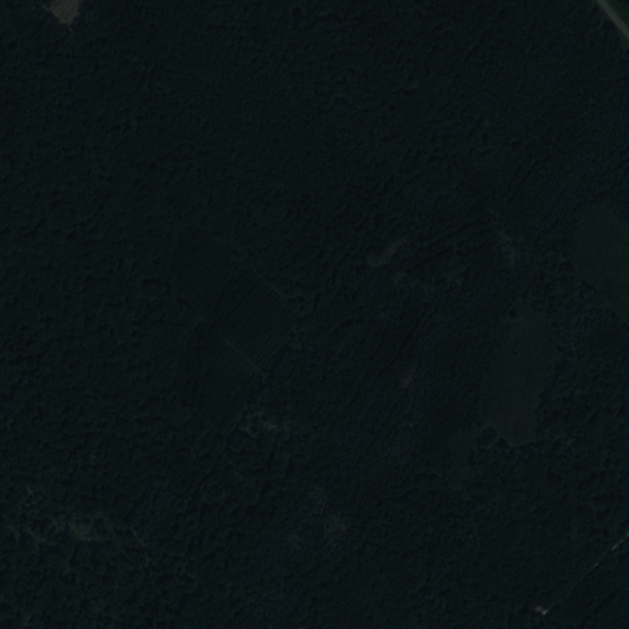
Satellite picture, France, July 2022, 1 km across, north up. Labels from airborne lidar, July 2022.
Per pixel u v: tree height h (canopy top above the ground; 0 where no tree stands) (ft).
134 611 68
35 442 86
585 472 46
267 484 41
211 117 43
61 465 87
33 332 63
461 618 65
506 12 72
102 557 94
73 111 91
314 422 46
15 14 72
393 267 57
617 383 65
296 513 73
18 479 84
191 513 76
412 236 58
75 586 78
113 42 61
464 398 56
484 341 55
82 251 78
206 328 30
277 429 46
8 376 76
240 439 45
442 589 44
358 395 52
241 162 61
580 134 51
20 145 86
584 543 51
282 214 60
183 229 63
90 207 95
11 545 71
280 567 52
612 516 79
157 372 79
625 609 54
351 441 37
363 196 73
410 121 92
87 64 93
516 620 86
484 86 41
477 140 67
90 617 77
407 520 43
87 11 82
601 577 27
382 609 66
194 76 53
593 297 104
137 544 73
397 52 71
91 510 83
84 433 47
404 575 66
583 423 72
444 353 62
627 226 64
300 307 78
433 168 67
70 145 76
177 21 47
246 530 73
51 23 91
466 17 99
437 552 57
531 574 71
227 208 81
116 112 75
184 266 22
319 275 80
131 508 37
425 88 80
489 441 75
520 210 42
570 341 95
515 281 75
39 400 87
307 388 69
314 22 87
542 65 46
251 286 21
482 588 46
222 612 72
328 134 55
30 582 80
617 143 45
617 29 73
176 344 76
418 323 70
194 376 25
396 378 49
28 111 69
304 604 72
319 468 67
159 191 77
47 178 86
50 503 84
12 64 59
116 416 78
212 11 73
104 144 77
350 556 73
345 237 78
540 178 58
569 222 46
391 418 51
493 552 45
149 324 74
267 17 80
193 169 76
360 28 77
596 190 45
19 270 87
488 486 64
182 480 61
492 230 51
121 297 61
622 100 45
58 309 91
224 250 19
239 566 71
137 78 78
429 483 45
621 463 71
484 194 47
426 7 80
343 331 62
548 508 85
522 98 52
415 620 73
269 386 61
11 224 62
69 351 75
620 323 62
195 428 62
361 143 70
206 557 87
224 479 52
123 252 72
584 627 52
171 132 65
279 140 49
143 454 84
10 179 92
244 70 53
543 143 58
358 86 88
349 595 67
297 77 71
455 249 57
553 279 73
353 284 56
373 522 49
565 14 70
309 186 51
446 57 80
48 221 81
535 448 46
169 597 90
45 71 64
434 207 58
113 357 80
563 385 77
